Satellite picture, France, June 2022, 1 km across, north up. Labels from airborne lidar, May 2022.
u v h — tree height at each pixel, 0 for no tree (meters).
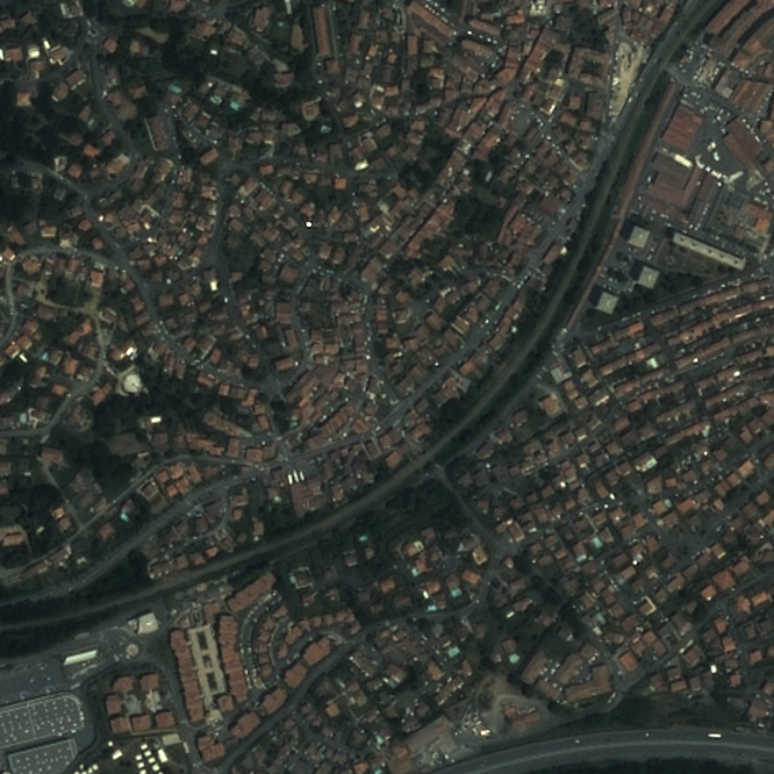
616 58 0
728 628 9
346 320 0
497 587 12
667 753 0
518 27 8
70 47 7
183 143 9
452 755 0
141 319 0
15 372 18
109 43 0
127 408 29
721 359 0
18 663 0
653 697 0
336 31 0
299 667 0
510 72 0
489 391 0
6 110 21
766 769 0
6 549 5
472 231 10
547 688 0
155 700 0
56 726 0
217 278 5
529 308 6
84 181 9
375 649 7
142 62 14
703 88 0
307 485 0
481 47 0
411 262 9
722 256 0
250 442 0
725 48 0
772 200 0
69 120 17
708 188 0
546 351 12
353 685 0
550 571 0
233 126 11
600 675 0
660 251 0
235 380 0
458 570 0
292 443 0
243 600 0
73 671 0
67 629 10
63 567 10
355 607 14
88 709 0
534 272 0
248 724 0
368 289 0
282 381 0
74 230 8
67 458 0
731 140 0
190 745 0
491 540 0
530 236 0
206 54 6
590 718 10
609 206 6
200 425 12
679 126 0
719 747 0
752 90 0
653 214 0
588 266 18
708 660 7
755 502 6
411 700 0
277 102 7
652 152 0
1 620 20
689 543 0
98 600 12
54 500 17
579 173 0
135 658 0
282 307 0
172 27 16
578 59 0
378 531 7
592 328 0
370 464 10
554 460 0
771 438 0
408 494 15
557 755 0
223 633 0
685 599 11
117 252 0
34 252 0
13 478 7
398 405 0
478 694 0
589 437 0
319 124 10
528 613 7
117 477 12
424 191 9
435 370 11
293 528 10
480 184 11
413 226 0
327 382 0
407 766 0
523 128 0
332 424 0
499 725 0
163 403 20
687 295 0
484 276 10
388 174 0
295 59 6
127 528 6
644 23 0
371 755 6
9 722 0
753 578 0
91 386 0
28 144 13
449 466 8
